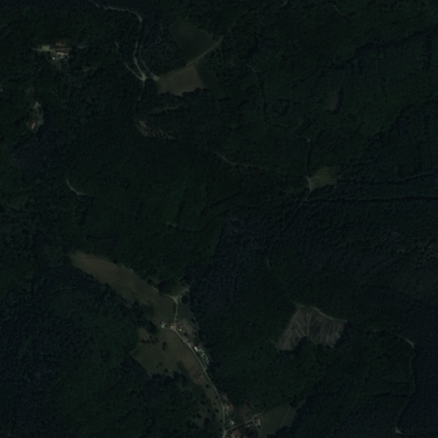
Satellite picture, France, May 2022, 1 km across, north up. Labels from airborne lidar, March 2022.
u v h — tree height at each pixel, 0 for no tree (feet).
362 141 96
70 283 67
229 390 60
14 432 88
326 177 0
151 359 0
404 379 76
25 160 83
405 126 95
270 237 62
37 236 83
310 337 0
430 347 96
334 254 47
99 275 0
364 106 51
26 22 80
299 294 58
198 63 0
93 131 52
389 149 61
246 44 25
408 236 48
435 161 59
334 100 0
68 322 110
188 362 0
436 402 87
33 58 64
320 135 52
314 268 97
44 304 64
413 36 112
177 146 63
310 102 78
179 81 0
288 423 0
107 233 66
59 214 78
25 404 99
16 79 86
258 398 46
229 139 46
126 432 88
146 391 88
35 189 81
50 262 77
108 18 50
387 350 97
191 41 0
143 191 67
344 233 45
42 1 121
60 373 89
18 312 86
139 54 32
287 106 60
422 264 28
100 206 87
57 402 76
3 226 81
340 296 44
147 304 0
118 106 51
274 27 62
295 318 0
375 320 59
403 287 26
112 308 88
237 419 0
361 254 50
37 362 103
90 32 22
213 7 53
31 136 73
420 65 43
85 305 71
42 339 101
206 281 68
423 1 44
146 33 33
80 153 52
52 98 64
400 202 72
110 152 58
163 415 88
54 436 103
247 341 89
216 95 0
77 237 80
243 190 46
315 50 67
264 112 60
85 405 85
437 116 83
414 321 87
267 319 59
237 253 73
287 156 60
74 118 98
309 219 52
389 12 41
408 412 73
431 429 92
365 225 42
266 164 36
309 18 50
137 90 50
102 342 65
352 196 63
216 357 51
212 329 51
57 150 105
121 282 0
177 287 0
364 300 53
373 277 46
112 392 77
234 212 94
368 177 61
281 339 0
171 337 0
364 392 78
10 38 67
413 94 72
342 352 49
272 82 91
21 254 67
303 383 68
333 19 68
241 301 71
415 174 58
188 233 69
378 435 67
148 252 70
